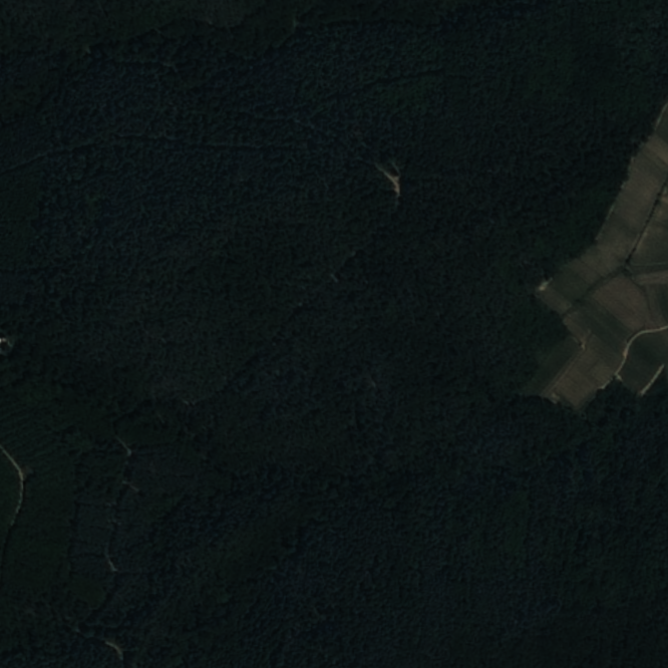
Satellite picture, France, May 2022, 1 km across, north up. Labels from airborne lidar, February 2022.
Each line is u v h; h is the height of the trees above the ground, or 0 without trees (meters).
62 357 22
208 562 18
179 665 33
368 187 18
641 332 0
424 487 24
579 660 16
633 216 0
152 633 25
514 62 19
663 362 0
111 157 20
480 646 18
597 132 18
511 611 21
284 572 25
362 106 26
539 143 15
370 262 13
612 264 0
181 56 20
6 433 13
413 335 19
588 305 0
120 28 23
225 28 12
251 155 20
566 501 18
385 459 30
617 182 11
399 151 17
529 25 22
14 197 11
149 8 22
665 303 0
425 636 19
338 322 22
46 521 11
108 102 29
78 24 25
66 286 19
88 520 16
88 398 17
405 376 16
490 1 23
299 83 17
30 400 16
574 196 19
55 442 13
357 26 28
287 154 15
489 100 16
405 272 18
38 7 19
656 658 16
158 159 19
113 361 22
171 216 20
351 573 22
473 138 16
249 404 19
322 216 16
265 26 18
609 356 0
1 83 26
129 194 22
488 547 21
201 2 17
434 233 18
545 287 0
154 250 16
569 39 19
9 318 15
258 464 21
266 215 19
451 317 16
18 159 14
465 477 26
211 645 34
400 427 31
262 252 18
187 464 19
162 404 16
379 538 20
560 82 15
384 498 22
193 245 12
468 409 10
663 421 22
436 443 28
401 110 18
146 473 21
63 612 21
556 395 0
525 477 32
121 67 19
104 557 20
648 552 20
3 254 10
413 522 27
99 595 14
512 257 17
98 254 25
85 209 23
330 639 25
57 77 16
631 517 18
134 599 16
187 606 25
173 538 20
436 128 18
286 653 24
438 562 17
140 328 19
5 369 22
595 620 23
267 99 22
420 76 19
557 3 20
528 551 17
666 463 21
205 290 21
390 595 20
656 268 0
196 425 25
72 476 12
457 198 22
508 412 13
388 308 19
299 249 21
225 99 25
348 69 25
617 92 29
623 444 18
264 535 20
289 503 16
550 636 24
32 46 33
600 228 9
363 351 19
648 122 9
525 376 18
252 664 22
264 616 25
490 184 13
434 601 20
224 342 20
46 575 13
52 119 17
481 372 18
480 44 19
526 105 16
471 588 21
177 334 19
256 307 21
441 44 23
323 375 19
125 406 25
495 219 25
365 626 20
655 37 22
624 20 15
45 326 18
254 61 31
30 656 26
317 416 20
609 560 18
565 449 23
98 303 17
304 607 22
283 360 18
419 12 27
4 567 11
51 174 10
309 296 17
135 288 15
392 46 24
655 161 0
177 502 13
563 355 0
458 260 17
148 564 22
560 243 12
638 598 21
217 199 23
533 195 7
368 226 23
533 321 15
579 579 15
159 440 16
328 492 30
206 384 17
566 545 18
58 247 24
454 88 14
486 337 14
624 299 0
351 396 21
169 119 13
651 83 16
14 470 8
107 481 21
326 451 20
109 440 13
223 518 23
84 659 27
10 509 11
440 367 23
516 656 17
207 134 18
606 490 20
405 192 19
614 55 26
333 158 24
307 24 22
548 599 19
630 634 18
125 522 20
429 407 20
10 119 17
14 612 15
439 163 17
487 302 14
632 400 21
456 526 23
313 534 25
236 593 32
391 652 20
